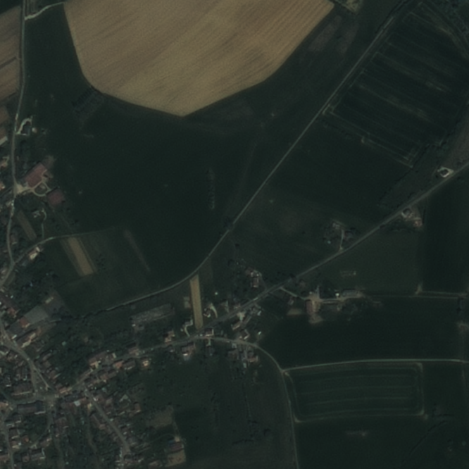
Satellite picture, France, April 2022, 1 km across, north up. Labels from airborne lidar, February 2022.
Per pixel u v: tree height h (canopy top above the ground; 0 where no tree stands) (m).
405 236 0
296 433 0
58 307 0
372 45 0
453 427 0
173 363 0
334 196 0
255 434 9
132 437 0
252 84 0
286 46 0
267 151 0
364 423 0
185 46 0
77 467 7
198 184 0
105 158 0
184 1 0
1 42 0
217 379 0
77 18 0
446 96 0
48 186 0
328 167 0
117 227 0
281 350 0
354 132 0
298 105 0
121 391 6
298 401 0
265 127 0
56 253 0
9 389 8
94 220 0
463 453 0
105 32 0
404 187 0
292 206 0
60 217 0
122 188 0
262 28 0
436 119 0
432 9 0
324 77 0
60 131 0
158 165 0
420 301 0
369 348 0
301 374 0
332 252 0
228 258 0
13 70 0
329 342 0
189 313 0
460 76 0
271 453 0
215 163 0
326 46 0
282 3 0
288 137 0
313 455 0
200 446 0
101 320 0
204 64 0
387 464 0
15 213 0
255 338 0
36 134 0
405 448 0
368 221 0
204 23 0
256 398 0
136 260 0
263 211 0
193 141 0
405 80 0
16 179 6
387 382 0
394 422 0
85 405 0
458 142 0
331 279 0
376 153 0
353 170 0
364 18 0
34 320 0
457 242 0
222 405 0
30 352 0
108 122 0
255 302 0
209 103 0
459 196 0
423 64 0
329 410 0
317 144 0
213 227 0
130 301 0
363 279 0
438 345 0
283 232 0
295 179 0
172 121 0
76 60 0
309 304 0
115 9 0
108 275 0
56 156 0
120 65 0
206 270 0
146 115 0
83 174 0
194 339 0
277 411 0
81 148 0
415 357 0
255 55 0
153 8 0
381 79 0
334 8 0
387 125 0
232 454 0
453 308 0
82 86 0
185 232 0
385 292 0
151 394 0
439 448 0
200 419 0
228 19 0
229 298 0
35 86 0
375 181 0
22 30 0
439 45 0
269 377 0
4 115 0
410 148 0
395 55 0
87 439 0
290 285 0
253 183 0
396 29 0
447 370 0
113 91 0
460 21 11
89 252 0
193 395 0
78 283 0
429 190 0
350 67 0
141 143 0
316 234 0
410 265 0
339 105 0
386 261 0
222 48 0
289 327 0
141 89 0
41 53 0
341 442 0
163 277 0
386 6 0
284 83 0
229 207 0
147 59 0
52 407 0
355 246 0
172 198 0
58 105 0
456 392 0
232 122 0
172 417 0
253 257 0
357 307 0
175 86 0
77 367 9
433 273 0
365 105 0
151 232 0
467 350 0
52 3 0
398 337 0
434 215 0
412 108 0
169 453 0
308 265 0
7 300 0
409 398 0
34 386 0
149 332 8
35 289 6
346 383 0
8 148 0
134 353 0
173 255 0
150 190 0
